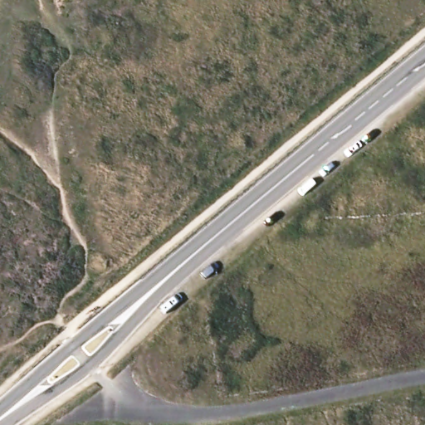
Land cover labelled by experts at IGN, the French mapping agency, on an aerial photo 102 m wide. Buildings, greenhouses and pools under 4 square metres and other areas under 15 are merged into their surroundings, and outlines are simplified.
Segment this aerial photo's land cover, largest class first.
<instances>
[{"label":"herbaceous vegetation","instance_id":"1","mask_svg":"<svg viewBox=\"0 0 425 425\"><path fill-rule=\"evenodd\" d=\"M27 22H40L42 13L38 10L37 0H0V123L40 153L48 149L45 116L48 110L53 111L61 183L65 186L71 216L88 244V252L91 256L105 257L108 251L105 249V242L96 231L95 208L93 204H86L83 189L85 176L73 163L70 148H76L80 158L90 159L93 163H103L110 169L128 173L129 168H126L123 161L126 154H131L138 156L139 163L149 168L148 191L143 194L144 198L151 199L154 194L163 198L164 193L168 191L174 201H181L194 189L199 193L198 199L186 208L181 217L174 219L163 232H159L158 236L151 239L148 246L143 247L131 259L138 266L154 251H158L164 242L176 236L184 226H188L194 217L209 208L216 199L221 198L222 194L234 188L244 176L251 173L252 169L257 168L279 146L286 143L287 139L299 133L305 125H309L310 121L327 110L335 100H339L345 91H349L362 78L372 73L403 43L408 42L420 30L425 32V0H65L61 5L60 25L70 35L73 48H68V58L61 61L60 68L55 73L53 90L38 76L32 78L28 75L22 66L25 43L22 28ZM379 138L372 139L369 136L360 143L350 158L334 161L332 168L322 176V186L314 183V186L304 196H300L291 208L284 209V217L276 222V226L279 232L274 237H267L266 244L259 251L247 244L246 249L236 259L222 264V271L219 274H209L204 286L199 287L196 292H189L188 300L184 302L183 307L174 312L169 309L161 322L164 324L163 329L159 330L158 334H153V340L149 342L148 347L158 352L163 362H174L186 372L189 388L193 393V403L232 405L257 402L264 398L281 397L317 388L379 379L397 372L425 370V100L407 113L395 128L383 129L380 126ZM236 269L246 276L244 286L254 292V317L257 324L264 334L279 337L281 344L266 347L251 362L237 365L234 372L242 375L241 390L231 392L222 380L217 362L219 357L216 340L212 337L209 325V314L212 310V289ZM42 191L51 196L58 193V189L48 181L42 168L33 163L25 151L17 158H13L7 146L0 143V345L20 337L37 322L55 319L63 296H50L45 292L46 284L60 276V267H56L55 262L43 264L42 261H37L38 247L42 246L48 236V226L43 221L42 208L35 196ZM214 425H425V383L418 387L397 388L390 392H377L362 397L345 398L339 402H324L314 407L269 413L261 417Z\"/></svg>","mask_w":425,"mask_h":425},{"label":"impervious surface","instance_id":"2","mask_svg":"<svg viewBox=\"0 0 425 425\"><path fill-rule=\"evenodd\" d=\"M425 100V32L420 30L408 42L403 43L372 73L362 78L349 91H345L339 100H335L327 110L310 121L309 125H305L299 133L287 139L286 143L279 146L257 168L252 169L251 173L244 176L234 188L222 194L221 198L216 199L209 208L194 217L188 226H184L176 236L164 242L158 251H154L138 266L105 292L78 314L63 330L43 349L38 350L32 359L18 367L15 374L10 375L8 379L0 375V425H214L261 417L269 413L314 407L324 402H339L345 398L362 397L377 392H390L397 388L418 387L425 383V370L397 372L379 379L317 388L281 397L264 398L257 402L232 405L193 403L188 405L173 402L151 392L149 388H144L139 382L138 375L129 370V365L113 379L108 374L116 362H120L139 340L153 332L154 327L161 322L169 309L174 312L183 307L184 302L188 300L189 292H196L199 287L204 286L209 274H219L222 271V264L236 259L246 249L247 244L251 241L249 236L257 229H261L266 222L269 226H276V222L284 217V209L291 208L300 196H304L314 186V183L322 186V176L332 168L334 161L350 158L360 143L369 136L372 139L379 138L380 126L383 129L395 128L407 113Z\"/></svg>","mask_w":425,"mask_h":425},{"label":"brushwood","instance_id":"3","mask_svg":"<svg viewBox=\"0 0 425 425\"><path fill-rule=\"evenodd\" d=\"M25 43L22 66L28 75L32 78L38 76L53 90L55 73L60 68L61 61L68 58V48L61 45L55 35L40 22H27L22 28ZM42 208L43 221L48 226V236L42 246L38 247L37 261H42L43 264L55 262L56 267H60V276L46 284L45 292L50 296H63L81 281L85 274V252L75 241V237L71 236L68 224L63 221L58 193L51 196L42 191L35 196ZM246 276L236 269L212 289V310L209 314V325L212 337L216 340L219 357L217 362L222 380L231 392L241 390L242 375L234 372L237 365L251 362L266 347L281 344L279 337L264 334L257 324L254 317V292L244 286ZM249 334H254L256 342L244 350L241 357H234L229 352L232 342H236L241 335ZM105 292L88 281L78 294L68 299V305H71L78 314ZM63 330L58 325H45L30 335V339L12 347L10 352H0V375L8 379L10 375L15 374L18 367L32 359L38 350L43 349Z\"/></svg>","mask_w":425,"mask_h":425},{"label":"bare soil","instance_id":"4","mask_svg":"<svg viewBox=\"0 0 425 425\"><path fill-rule=\"evenodd\" d=\"M65 0H37L38 10L42 13L40 22L55 35L61 45L68 48H73L70 35L60 25L61 5ZM73 163L85 176L83 189L86 204H93L95 208L96 231L105 242V249L108 251L105 257L91 256L88 252H85V274L90 277L88 281L105 292L138 266L131 259L143 247L148 246L151 239L158 236L159 232H163L174 219L181 217L186 208L198 199L199 193L194 189L181 201H174L168 191L164 193L163 198L154 194L151 199L144 198L143 194L148 191L149 168L139 163L138 156L131 154H126L123 161L126 168H129L128 173L110 169L103 163H93L90 159L80 158L76 148H70ZM256 342L254 334H249L241 335L236 342H232L229 352L234 357H241L244 350Z\"/></svg>","mask_w":425,"mask_h":425},{"label":"pervious surface","instance_id":"5","mask_svg":"<svg viewBox=\"0 0 425 425\"><path fill-rule=\"evenodd\" d=\"M48 149L40 153L0 123V143L7 146L13 158H17L25 151L33 163L42 168L48 181L58 189V193L63 221L68 224L71 236L75 237V241L85 252H88V244L71 216L65 186L61 183L53 111L48 110L45 116ZM279 232L276 226H269L266 222L261 229H257L249 236L251 241L247 244L259 251L266 244L267 237H274ZM90 277L85 274L81 281L63 296L55 319L37 322L20 337L0 345V352H10L12 347L30 339V335L45 325H58L63 330L78 314L71 305H68V299L78 294L88 281ZM164 324L161 322L154 327L153 332L139 340L120 362H116L108 374L113 379L129 365V370L138 375L139 382L144 388H149L151 392L173 402L188 405L193 403V393L189 388L186 372L174 362H163L158 352L148 347L149 342L153 340V334H158L159 330L163 329Z\"/></svg>","mask_w":425,"mask_h":425}]
</instances>
